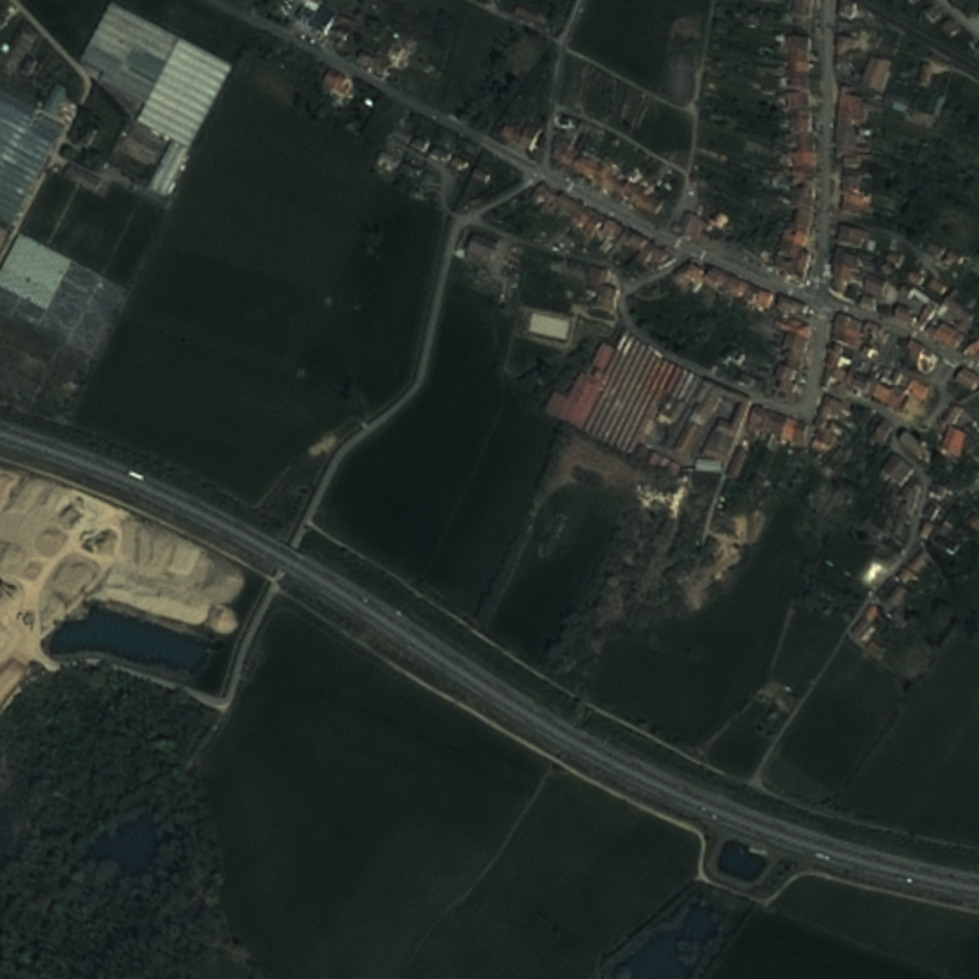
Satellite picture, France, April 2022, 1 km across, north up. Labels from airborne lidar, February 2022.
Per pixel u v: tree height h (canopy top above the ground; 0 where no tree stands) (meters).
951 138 0
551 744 0
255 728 0
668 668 0
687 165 0
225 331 0
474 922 0
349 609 0
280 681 0
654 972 0
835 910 0
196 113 0
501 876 0
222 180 0
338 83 0
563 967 0
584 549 0
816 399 0
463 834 0
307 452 0
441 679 0
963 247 0
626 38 0
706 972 6
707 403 0
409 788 0
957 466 0
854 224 0
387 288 0
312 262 0
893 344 0
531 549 0
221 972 0
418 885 0
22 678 0
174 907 25
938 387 0
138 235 0
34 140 0
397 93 0
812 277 0
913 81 6
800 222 0
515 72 0
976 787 0
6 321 0
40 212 0
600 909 0
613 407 0
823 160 0
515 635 0
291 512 0
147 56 0
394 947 0
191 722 16
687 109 0
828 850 0
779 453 0
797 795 0
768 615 0
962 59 0
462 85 0
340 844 0
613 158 0
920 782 0
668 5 0
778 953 0
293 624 0
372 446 0
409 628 0
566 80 0
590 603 5
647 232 0
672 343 7
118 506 0
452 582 0
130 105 0
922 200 13
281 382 0
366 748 0
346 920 0
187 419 0
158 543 0
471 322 0
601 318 0
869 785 0
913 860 0
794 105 0
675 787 0
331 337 0
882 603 0
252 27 0
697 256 0
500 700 0
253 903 0
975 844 0
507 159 0
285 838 0
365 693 0
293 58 7
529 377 7
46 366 0
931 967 0
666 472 11
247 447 0
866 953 0
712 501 0
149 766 8
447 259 0
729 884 0
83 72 0
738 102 7
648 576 0
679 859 0
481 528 0
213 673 0
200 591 0
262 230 0
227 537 0
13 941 13
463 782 0
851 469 7
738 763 0
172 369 0
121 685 14
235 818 0
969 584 0
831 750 0
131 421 0
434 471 0
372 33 13
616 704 0
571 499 0
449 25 15
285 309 0
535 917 0
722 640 0
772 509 0
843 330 0
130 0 0
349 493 0
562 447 14
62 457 0
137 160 0
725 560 0
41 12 0
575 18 0
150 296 0
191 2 0
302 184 0
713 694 0
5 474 0
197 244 0
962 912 0
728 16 9
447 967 0
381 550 0
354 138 7
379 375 0
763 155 0
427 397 0
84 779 14
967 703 0
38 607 0
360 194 0
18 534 0
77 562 0
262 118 0
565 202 0
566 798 0
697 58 0
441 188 0
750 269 0
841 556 0
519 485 0
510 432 0
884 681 0
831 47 0
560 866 0
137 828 0
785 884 0
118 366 0
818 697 0
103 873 15
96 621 0
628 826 0
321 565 0
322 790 0
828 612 7
